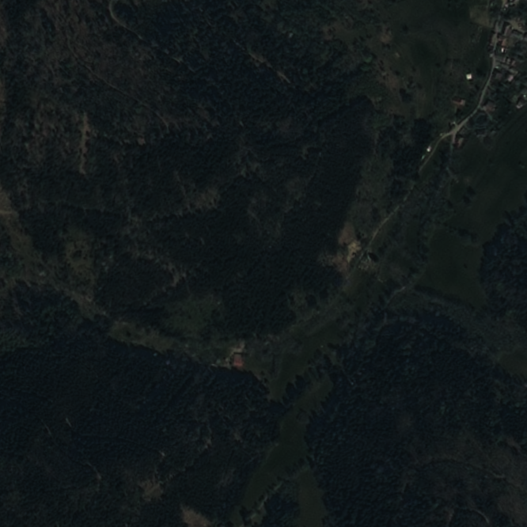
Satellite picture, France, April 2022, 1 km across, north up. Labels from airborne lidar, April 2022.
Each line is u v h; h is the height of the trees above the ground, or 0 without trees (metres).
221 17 33
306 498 0
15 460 22
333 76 25
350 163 23
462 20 0
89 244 10
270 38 22
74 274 11
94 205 19
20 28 18
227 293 30
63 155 22
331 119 23
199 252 21
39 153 24
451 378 26
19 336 36
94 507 22
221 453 22
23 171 21
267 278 28
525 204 0
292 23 17
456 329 28
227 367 0
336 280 25
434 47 0
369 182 16
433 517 21
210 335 19
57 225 17
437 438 23
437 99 9
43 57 7
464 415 23
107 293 22
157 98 10
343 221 23
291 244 21
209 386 37
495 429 28
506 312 28
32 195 19
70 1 34
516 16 6
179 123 14
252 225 19
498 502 13
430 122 16
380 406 21
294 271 29
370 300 14
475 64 0
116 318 26
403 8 0
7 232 15
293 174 16
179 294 20
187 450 20
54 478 18
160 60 9
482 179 0
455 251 0
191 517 0
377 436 25
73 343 27
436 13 0
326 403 0
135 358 20
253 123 37
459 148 9
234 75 35
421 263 12
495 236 0
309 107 19
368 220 21
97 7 34
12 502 24
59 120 11
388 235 0
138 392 26
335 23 18
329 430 34
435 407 21
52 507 25
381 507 29
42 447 21
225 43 38
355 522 23
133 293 24
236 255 22
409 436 19
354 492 25
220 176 16
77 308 36
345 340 19
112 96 10
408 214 25
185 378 34
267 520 7
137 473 20
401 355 13
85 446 34
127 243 16
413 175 18
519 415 26
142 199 18
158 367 27
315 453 12
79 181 18
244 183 19
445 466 12
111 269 20
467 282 0
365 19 13
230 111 32
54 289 20
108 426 25
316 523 0
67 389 25
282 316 30
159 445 23
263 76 8
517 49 8
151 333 16
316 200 21
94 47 12
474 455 18
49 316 33
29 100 11
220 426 29
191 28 37
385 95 9
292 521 31
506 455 20
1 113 8
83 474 21
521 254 32
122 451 23
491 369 27
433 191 8
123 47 8
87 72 9
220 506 27
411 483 10
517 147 0
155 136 23
